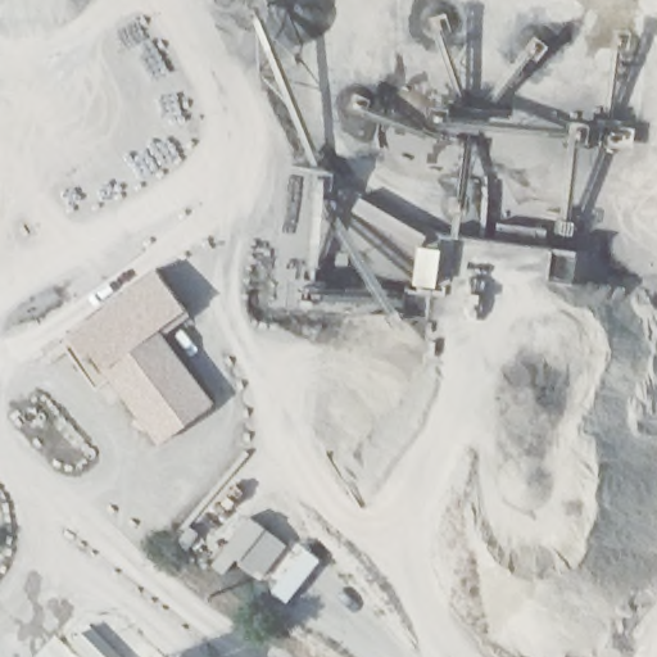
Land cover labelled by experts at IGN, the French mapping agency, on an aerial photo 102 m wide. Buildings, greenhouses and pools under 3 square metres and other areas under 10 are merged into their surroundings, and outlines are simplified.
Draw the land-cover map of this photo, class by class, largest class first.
<instances>
[{"label":"pervious surface","instance_id":"1","mask_svg":"<svg viewBox=\"0 0 657 657\"><path fill-rule=\"evenodd\" d=\"M275 118L282 126L285 139L293 149V164L305 169H326V234L321 244L316 285L318 293L329 298L323 303H311L308 313L264 308L269 300H277V252L275 244L254 234L257 221L267 213L254 203V198L264 180L267 126ZM357 200H364L423 234V246L439 252L434 287H416L411 267L398 269L370 241H364L357 231L349 228ZM470 239L534 249H570L575 252V282L549 277L547 287H542L531 272H513L506 267L503 259H498L495 267L470 262L462 257V246ZM151 269H159L162 282L185 308L182 321L172 323L169 331H164V341L210 400L200 413L187 418L164 441H154L151 434L133 426V413L126 400L113 403L105 395L95 393V385H90L85 375L74 370L67 352V331L77 329L87 318V313L98 308L100 298L131 282L133 272L149 275ZM172 521L180 524L182 547L195 549L200 559L192 567H182L175 577L159 570L144 554V539L154 531L167 529ZM262 529L272 534L277 542L290 547L298 544L316 557L313 570L305 575V580L287 601L272 595L269 583L254 580L236 565L239 554ZM246 603L252 611H259L264 616V626L277 639L269 647V652L246 649L239 639L228 634L231 619L236 616L239 606ZM95 624L110 626L136 657H657V0H0V657H105L87 639V629Z\"/></svg>","mask_w":657,"mask_h":657},{"label":"building","instance_id":"2","mask_svg":"<svg viewBox=\"0 0 657 657\"><path fill-rule=\"evenodd\" d=\"M326 169H305L293 164V149L285 139L282 126L275 118L267 126L264 180L254 198V203L267 213L257 221L254 234L275 244L277 252V300H269L264 308L308 313L311 303H323L329 298L318 293L316 285L321 244L326 234ZM349 228L357 231L364 241H370L398 269L411 267L416 287H434L439 252L423 246V234L364 200H357ZM462 257L470 262L495 267L498 259H503L506 267L513 272H531L542 287H547L549 277L575 282V252L570 249H534L470 239L462 246ZM185 308L162 282L159 269H151L149 275L133 272L131 282L100 298L98 308L87 313V318L77 329L67 331V352L74 370L85 375L90 385H95V393L105 395L113 403L126 400L133 413V426L151 434L154 441H164L187 418L200 413L210 400L164 341V331H169L172 323L182 321ZM236 565L254 580L269 583L272 595L287 601L305 580V575L313 570L316 557L298 544L290 547L277 542L272 534L262 529L239 554ZM87 639L105 657H136L110 626L95 624L87 629Z\"/></svg>","mask_w":657,"mask_h":657},{"label":"brushwood","instance_id":"3","mask_svg":"<svg viewBox=\"0 0 657 657\"><path fill-rule=\"evenodd\" d=\"M144 554L159 570L175 577L182 567H192L200 559L195 549L182 547L180 524L172 521L167 529L154 531L144 539Z\"/></svg>","mask_w":657,"mask_h":657},{"label":"deciduous trees","instance_id":"4","mask_svg":"<svg viewBox=\"0 0 657 657\"><path fill-rule=\"evenodd\" d=\"M228 634L239 639L246 649L269 652V647L277 639L264 626V616L259 611H252L246 603L239 606L236 616L231 619Z\"/></svg>","mask_w":657,"mask_h":657}]
</instances>
